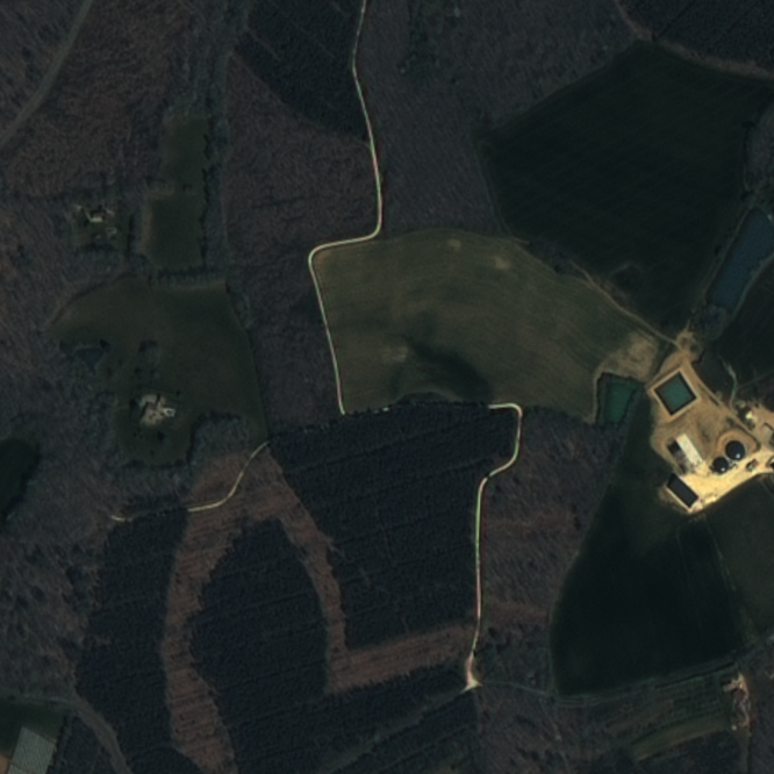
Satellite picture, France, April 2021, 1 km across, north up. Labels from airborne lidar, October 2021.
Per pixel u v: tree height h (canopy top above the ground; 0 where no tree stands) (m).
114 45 6
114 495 13
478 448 15
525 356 0
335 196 6
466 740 10
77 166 6
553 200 0
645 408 0
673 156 0
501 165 0
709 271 0
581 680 0
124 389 0
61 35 13
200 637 14
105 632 13
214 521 7
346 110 15
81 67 6
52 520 21
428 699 13
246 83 6
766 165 10
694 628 0
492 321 0
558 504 14
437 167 18
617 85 0
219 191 15
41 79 15
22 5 14
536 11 14
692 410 0
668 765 0
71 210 16
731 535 0
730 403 0
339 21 14
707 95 0
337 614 6
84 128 6
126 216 14
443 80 14
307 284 10
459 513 15
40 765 0
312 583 14
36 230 21
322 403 6
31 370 19
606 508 0
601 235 0
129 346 0
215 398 0
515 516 10
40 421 16
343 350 0
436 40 13
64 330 0
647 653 0
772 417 0
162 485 16
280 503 8
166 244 0
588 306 0
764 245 0
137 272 21
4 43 13
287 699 15
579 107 0
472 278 0
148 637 14
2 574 9
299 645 15
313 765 14
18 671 19
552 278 0
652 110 0
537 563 17
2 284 15
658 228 0
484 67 18
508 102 11
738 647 0
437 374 0
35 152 8
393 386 0
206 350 0
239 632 15
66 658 26
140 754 15
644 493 0
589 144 0
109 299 0
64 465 19
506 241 0
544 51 15
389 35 17
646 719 0
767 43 14
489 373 0
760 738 13
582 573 0
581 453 21
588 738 12
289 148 7
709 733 0
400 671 9
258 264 7
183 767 14
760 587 0
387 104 18
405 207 19
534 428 18
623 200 0
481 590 6
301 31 12
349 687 7
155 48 6
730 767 0
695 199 0
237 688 10
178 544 15
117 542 14
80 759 11
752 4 13
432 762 10
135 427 0
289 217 7
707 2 13
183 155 0
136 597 12
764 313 0
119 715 14
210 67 19
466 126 13
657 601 0
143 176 6
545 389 0
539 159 0
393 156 12
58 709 8
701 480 0
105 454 16
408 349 0
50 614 11
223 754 9
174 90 16
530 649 12
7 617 12
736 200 0
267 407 7
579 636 0
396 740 10
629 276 0
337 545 14
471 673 0
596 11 16
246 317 17
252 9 17
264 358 8
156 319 0
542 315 0
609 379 10
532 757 11
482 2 21
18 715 0
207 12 16
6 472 0
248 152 7
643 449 0
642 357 0
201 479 10
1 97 16
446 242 0
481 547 8
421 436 12
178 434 0
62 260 21
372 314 0
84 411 23
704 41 14
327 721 16
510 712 13
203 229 13
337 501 16
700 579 0
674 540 0
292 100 14
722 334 13
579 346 0
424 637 10
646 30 15
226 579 12
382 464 15
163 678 14
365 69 14
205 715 7
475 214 14
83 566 23
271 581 16
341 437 15
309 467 16
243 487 11
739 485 0
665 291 0
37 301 23
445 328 0
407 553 13
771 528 0
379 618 13
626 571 0
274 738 14
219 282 22
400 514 14
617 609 0
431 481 13
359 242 0
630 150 0
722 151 0
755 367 0
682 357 0
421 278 0
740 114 0
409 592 13
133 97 6
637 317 0
